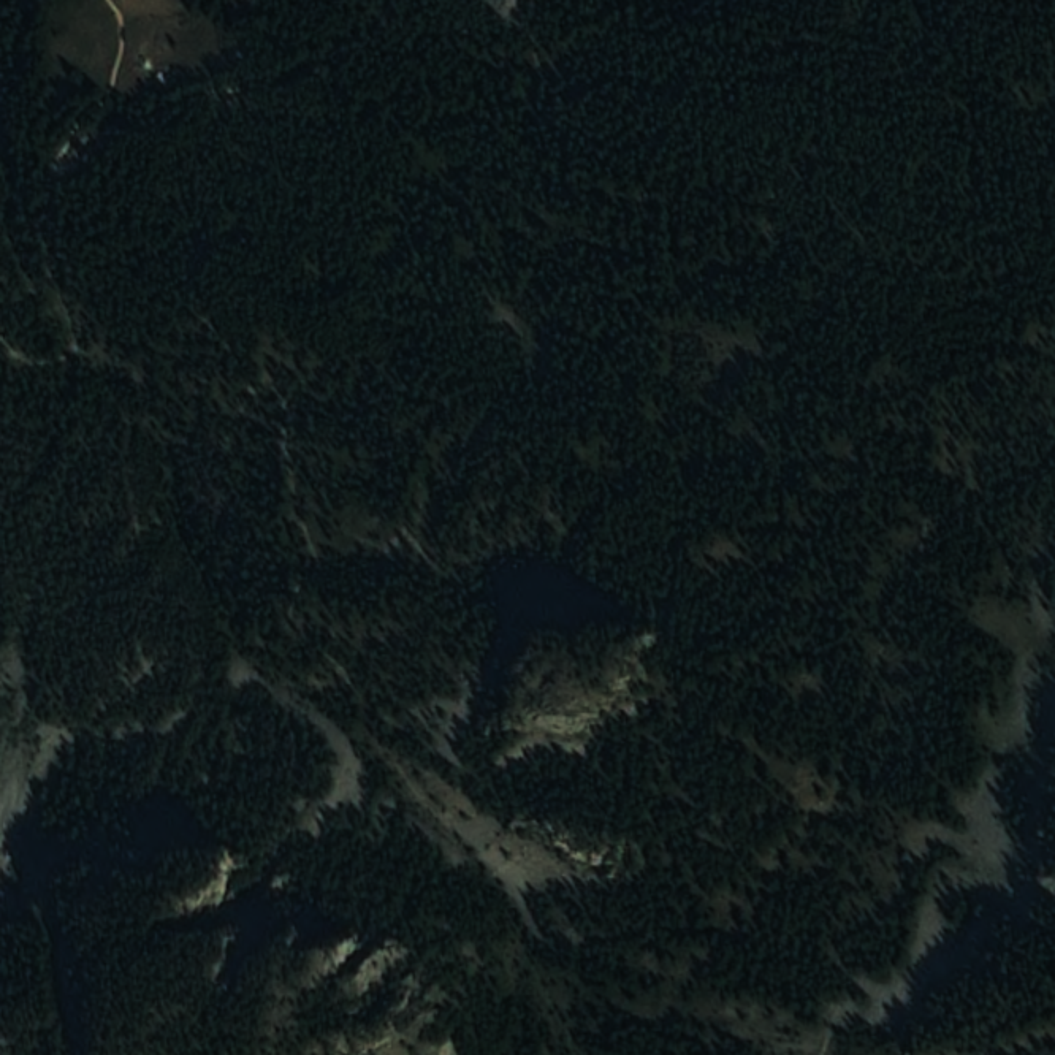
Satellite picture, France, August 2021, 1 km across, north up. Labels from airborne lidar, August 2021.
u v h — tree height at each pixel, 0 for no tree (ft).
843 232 72
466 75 98
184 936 39
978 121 44
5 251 30
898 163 53
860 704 47
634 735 57
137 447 31
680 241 77
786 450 26
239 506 59
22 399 30
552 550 52
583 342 58
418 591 38
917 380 32
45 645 49
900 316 28
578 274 31
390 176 83
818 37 65
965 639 39
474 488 57
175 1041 42
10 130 94
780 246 20
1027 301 56
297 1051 44
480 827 0
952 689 49
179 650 41
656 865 77
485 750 52
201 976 39
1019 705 0
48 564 46
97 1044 39
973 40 64
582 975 56
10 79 69
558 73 0
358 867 53
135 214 65
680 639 47
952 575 21
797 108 72
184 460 52
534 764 82
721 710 70
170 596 37
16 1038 36
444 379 50
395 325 27
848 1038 30
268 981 24
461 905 55
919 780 49
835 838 36
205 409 73
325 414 31
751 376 103
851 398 33
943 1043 42
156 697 45
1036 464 73
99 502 32
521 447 23
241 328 74
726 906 0
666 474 81
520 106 64
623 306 43
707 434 85
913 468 26
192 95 54
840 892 45
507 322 0
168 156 75
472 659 64
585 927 49
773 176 60
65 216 61
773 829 70
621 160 77
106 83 0
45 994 41
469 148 43
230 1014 37
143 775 46
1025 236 69
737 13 68
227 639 38
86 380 44
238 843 69
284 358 78
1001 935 52
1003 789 31
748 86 82
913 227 42
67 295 73
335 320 81
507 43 71
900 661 0
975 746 65
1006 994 51
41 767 0
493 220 63
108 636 59
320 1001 37
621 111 79
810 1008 70
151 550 29
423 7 99
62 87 0
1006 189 45
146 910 46
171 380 31
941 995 42
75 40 0
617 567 64
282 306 63
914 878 70
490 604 77
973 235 72
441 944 22
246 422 42
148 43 0
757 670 66
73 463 28
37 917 31
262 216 67
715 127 76
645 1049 49
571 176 59
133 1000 53
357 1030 39
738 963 51
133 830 46
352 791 0
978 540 42
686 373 24
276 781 37
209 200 68
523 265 48
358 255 78
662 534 81
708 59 73
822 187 66
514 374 51
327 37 87
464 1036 77
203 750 21
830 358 46
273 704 48
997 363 80
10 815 0
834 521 69
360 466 74
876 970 72
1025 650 0
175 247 50
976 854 0
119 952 56
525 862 0
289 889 58
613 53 67
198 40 0
